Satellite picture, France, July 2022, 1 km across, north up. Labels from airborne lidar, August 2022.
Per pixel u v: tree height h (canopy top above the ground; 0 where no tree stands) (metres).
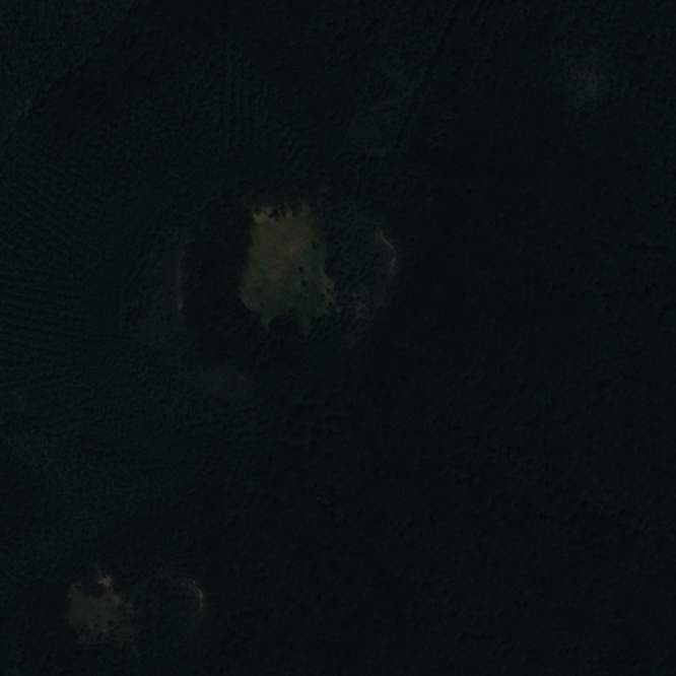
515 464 28
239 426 11
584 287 25
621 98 22
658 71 19
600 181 24
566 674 27
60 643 19
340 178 11
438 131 19
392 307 10
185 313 8
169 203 10
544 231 24
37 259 23
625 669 29
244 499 17
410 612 27
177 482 19
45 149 15
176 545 8
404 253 8
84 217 20
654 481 23
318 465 23
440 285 19
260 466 14
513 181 23
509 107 23
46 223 21
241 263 19
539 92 24
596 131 24
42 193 18
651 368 24
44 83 19
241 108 17
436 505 23
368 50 23
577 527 24
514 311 22
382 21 20
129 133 19
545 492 22
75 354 17
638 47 19
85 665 17
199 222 9
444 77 22
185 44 16
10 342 23
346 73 23
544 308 26
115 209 17
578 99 9
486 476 22
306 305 0
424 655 26
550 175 25
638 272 24
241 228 15
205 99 17
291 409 13
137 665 8
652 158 21
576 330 23
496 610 28
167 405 10
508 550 22
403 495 24
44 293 22
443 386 23
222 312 21
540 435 23
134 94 19
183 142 16
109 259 16
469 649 29
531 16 22
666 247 24
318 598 14
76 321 21
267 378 6
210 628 7
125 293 9
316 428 13
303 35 24
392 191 13
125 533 13
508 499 24
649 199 26
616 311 24
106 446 19
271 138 22
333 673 27
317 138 18
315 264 0
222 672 14
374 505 28
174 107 19
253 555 15
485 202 21
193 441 11
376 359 14
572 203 24
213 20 14
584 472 22
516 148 22
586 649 23
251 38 20
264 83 22
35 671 14
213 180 7
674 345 26
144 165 17
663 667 23
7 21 17
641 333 25
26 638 8
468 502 23
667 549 27
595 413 26
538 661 26
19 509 17
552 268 24
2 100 22
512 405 22
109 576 7
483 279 21
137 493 20
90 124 23
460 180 19
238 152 13
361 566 20
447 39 20
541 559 23
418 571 25
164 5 19
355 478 23
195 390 7
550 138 25
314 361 7
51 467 21
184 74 21
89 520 13
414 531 21
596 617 25
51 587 12
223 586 17
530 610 22
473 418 12
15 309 23
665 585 22
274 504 18
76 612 0
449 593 30
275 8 21
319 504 25
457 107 20
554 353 28
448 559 24
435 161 19
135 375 15
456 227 19
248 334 18
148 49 21
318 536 21
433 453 24
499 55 23
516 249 22
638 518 12
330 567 20
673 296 22
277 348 18
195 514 16
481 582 25
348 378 11
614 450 27
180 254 0
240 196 9
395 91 6
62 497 21
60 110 22
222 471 13
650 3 17
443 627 30
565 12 20
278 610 20
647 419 25
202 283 9
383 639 30
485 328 22
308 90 21
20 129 25
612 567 22
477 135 23
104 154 19
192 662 5
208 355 6
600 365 22
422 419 21
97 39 13
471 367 18
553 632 24
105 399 18
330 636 26
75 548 15
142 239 10
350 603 24
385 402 21
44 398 21
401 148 13
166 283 0
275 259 0
